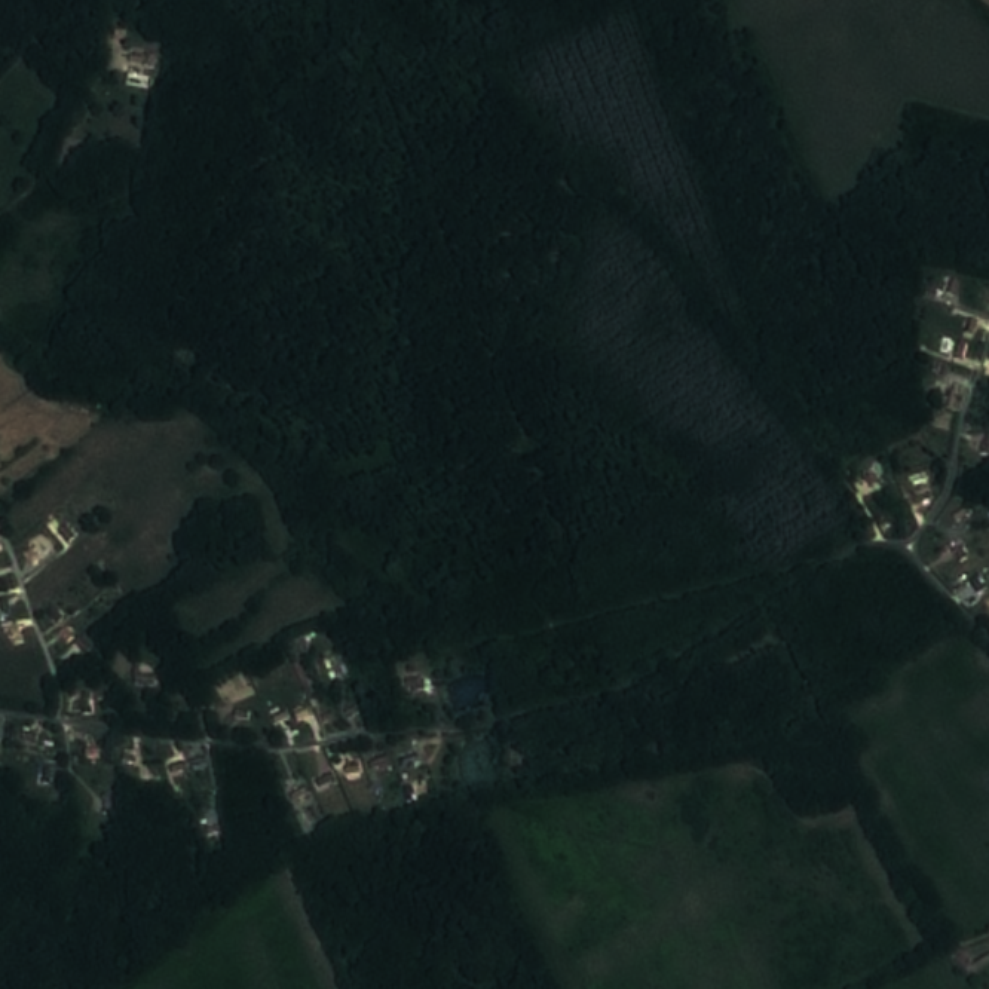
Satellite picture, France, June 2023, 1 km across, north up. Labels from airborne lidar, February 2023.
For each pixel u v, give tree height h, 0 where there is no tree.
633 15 16
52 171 20
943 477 10
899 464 9
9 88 0
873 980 10
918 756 0
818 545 14
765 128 23
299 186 21
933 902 18
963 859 0
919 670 0
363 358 19
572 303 17
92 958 25
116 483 0
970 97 0
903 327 23
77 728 0
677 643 12
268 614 0
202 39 24
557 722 19
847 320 22
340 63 22
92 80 16
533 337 19
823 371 22
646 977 0
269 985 0
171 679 19
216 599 0
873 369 23
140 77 0
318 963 0
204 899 21
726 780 0
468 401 24
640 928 0
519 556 24
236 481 16
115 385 16
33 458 0
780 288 21
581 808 0
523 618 9
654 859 0
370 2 23
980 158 23
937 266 7
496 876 21
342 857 15
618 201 23
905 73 0
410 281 25
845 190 0
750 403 17
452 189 22
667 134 16
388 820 11
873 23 0
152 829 23
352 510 18
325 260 24
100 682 15
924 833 0
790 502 16
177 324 23
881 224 21
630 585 12
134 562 0
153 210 22
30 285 0
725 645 18
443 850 26
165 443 0
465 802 21
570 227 21
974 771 0
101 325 26
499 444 27
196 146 23
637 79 14
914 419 19
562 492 27
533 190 22
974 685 0
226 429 18
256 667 17
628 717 22
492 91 21
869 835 12
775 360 22
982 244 25
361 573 7
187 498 0
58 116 19
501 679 22
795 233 19
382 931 17
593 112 16
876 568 8
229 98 26
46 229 0
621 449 24
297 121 23
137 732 13
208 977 0
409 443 19
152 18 20
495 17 22
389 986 17
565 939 0
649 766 22
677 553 18
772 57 0
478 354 23
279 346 22
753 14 0
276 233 20
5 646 0
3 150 0
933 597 7
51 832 21
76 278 9
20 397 0
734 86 22
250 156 23
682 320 13
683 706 21
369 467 0
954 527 0
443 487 24
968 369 0
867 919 0
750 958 0
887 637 15
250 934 0
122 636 17
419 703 17
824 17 0
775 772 14
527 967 25
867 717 0
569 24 19
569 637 9
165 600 22
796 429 18
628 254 16
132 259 24
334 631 13
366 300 21
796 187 17
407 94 24
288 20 24
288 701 0
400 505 24
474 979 29
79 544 0
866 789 19
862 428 17
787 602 13
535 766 23
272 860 15
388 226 23
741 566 13
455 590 26
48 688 16
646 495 21
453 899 29
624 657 12
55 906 25
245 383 25
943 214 23
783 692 22
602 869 0
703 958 0
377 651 17
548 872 0
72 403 0
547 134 16
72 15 15
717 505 11
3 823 20
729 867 0
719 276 13
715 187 17
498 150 26
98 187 21
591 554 14
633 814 0
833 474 15
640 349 16
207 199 23
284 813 14
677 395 16
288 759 0
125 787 19
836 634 10
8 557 0
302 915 0
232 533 27
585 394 23
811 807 15
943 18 0
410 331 23
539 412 25
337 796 0
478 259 19
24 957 27
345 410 23
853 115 0
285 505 13
